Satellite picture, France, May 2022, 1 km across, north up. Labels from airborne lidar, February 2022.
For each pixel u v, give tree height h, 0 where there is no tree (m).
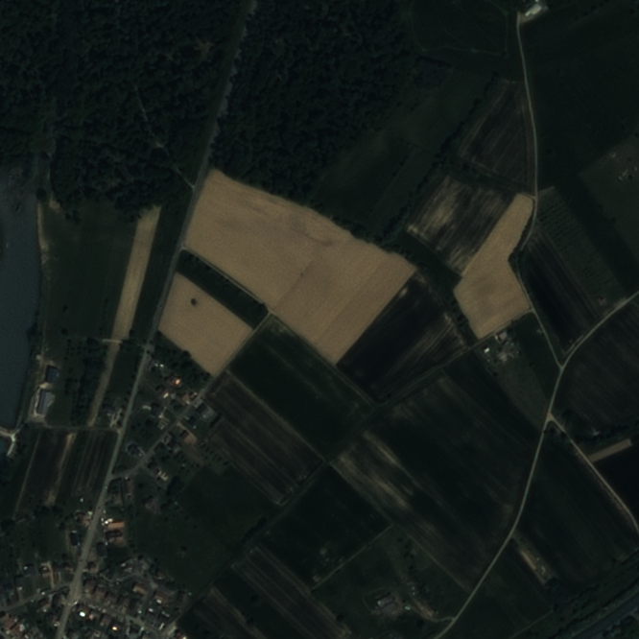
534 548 0
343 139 30
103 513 0
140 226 0
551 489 0
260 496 0
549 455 0
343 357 0
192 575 0
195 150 19
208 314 0
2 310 0
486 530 0
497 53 0
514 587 0
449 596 0
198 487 0
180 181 15
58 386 0
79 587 0
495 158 0
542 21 0
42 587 0
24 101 32
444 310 0
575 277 0
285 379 0
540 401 0
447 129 0
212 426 9
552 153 8
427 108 0
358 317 0
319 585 0
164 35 30
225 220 0
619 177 0
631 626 17
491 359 0
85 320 0
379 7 12
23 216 0
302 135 12
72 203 23
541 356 0
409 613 0
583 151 0
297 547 0
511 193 0
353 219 0
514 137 0
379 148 0
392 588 0
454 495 0
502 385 0
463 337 0
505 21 0
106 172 28
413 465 0
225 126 22
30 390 0
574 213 0
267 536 0
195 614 0
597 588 9
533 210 0
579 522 0
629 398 0
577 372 0
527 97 0
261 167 29
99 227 0
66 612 0
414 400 0
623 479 0
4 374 0
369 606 0
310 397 0
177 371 12
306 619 0
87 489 0
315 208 8
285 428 0
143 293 0
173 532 0
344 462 0
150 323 0
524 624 0
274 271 0
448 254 0
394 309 0
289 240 0
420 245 0
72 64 31
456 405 0
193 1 29
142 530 0
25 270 0
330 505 0
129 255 0
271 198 0
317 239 0
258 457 0
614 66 0
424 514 0
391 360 0
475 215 0
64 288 0
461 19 0
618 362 0
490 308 0
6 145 29
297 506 0
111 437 0
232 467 0
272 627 0
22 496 0
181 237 0
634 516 0
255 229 0
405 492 0
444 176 0
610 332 0
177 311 0
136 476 0
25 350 0
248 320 0
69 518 6
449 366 0
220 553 0
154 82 11
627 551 0
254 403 0
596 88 0
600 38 0
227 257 0
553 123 0
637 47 0
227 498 0
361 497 0
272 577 0
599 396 0
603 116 0
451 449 0
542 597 0
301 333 0
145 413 0
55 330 0
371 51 29
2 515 0
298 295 0
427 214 0
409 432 0
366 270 0
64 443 0
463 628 0
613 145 0
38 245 0
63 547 0
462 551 0
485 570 0
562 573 0
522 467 0
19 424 0
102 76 27
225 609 0
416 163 0
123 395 0
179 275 0
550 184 0
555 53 0
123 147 13
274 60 31
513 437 0
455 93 0
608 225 0
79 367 0
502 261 0
